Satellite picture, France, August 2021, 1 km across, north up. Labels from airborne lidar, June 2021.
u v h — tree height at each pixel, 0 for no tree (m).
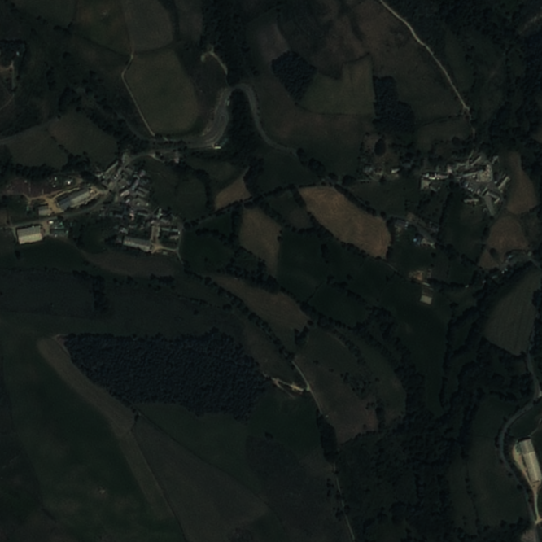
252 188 13
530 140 18
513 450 0
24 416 0
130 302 0
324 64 0
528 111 14
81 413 0
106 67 0
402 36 0
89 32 0
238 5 0
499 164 10
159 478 0
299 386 0
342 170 0
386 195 0
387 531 0
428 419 18
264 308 0
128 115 0
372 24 0
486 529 7
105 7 0
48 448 0
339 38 0
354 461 0
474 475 0
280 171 0
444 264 0
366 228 0
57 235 0
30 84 0
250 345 0
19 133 8
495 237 0
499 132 24
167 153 0
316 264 0
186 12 0
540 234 0
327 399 0
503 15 0
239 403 16
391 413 0
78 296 0
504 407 0
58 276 0
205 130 0
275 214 14
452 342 16
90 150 0
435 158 12
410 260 0
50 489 0
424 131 0
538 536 0
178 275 0
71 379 0
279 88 0
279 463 0
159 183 0
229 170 0
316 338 0
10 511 0
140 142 8
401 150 10
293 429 0
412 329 0
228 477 0
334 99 0
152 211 0
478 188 0
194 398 13
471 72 0
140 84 0
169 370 13
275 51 0
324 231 17
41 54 0
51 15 0
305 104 0
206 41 14
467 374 18
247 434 0
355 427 0
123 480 0
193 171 13
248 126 11
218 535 0
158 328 0
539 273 0
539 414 0
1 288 0
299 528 0
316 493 0
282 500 0
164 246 0
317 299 0
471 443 15
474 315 21
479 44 0
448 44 0
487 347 21
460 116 7
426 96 0
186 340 17
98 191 0
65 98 16
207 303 8
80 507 0
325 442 15
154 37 0
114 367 11
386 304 0
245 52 13
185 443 0
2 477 0
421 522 27
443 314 0
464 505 0
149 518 0
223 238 16
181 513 0
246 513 0
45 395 0
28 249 0
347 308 0
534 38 10
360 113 0
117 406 0
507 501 0
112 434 0
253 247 0
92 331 0
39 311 0
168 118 0
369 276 0
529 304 0
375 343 9
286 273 0
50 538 0
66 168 11
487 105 0
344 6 0
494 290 26
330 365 0
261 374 9
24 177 15
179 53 0
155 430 0
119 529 0
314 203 0
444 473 18
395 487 11
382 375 0
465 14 16
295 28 0
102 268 0
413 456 9
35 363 0
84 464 0
